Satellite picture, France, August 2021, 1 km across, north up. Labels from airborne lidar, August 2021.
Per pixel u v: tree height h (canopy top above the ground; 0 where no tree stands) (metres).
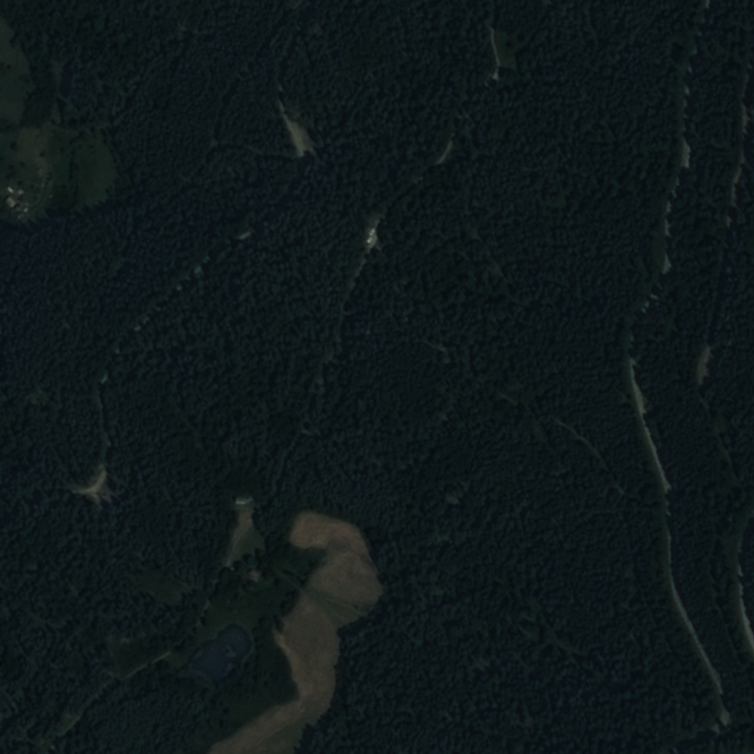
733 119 18
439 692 20
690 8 22
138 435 27
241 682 15
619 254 22
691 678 25
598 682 29
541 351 24
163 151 18
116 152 8
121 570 28
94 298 27
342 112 14
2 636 26
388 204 24
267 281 20
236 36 26
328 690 0
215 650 0
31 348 25
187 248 20
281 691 6
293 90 20
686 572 18
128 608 23
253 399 19
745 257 18
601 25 22
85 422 25
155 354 17
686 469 20
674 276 17
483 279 25
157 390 18
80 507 25
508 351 24
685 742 0
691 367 21
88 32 11
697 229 17
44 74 12
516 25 19
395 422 26
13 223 0
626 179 23
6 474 20
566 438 25
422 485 27
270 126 18
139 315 19
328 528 0
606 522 19
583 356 17
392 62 25
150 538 25
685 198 21
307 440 26
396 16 26
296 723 0
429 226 22
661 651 29
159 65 26
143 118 25
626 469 22
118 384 24
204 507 30
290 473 28
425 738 27
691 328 14
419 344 17
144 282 22
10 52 0
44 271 23
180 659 0
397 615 31
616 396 21
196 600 18
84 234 24
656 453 0
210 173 25
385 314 29
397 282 17
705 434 22
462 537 20
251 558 17
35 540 23
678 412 20
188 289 22
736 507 15
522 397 8
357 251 21
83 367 26
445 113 28
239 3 19
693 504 25
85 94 25
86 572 34
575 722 24
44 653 24
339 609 0
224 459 12
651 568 24
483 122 20
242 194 32
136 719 19
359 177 30
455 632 29
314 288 28
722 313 23
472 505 29
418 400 20
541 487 26
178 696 20
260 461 16
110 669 30
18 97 0
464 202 19
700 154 16
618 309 29
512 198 23
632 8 23
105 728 26
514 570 14
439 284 15
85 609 21
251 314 14
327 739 31
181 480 11
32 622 29
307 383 17
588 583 20
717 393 21
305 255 28
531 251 19
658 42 22
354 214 21
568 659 19
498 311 29
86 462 26
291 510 23
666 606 27
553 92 24
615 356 23
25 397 24
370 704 24
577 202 13
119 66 12
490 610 25
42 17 19
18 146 8
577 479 20
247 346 23
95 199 0
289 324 10
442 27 33
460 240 17
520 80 8
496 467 25
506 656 21
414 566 17
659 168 18
